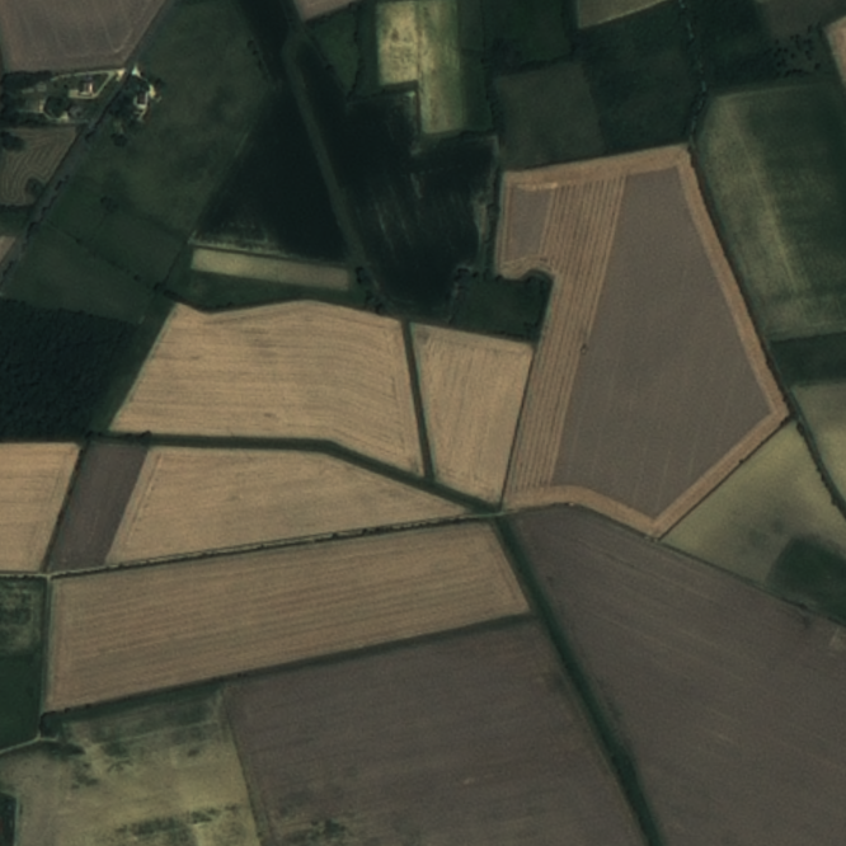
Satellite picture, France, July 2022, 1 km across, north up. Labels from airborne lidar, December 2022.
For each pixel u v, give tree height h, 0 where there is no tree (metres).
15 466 0
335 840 0
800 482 0
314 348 0
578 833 0
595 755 0
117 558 0
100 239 0
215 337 0
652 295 0
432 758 0
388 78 0
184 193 0
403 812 0
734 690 0
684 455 0
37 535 0
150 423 0
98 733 0
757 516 0
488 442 0
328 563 0
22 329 16
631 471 0
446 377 0
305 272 0
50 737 9
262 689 0
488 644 0
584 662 0
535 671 0
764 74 10
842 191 0
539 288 10
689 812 0
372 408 0
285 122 0
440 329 0
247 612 0
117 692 0
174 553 0
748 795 0
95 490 0
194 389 0
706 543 0
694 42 7
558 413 0
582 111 0
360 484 0
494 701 0
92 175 0
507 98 0
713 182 0
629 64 0
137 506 0
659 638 0
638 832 0
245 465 0
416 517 0
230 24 0
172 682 0
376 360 0
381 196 0
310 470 0
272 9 0
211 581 0
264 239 0
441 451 0
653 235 0
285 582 0
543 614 0
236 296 0
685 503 0
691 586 0
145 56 0
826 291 0
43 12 0
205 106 0
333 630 0
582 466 0
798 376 0
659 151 0
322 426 0
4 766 0
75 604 0
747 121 0
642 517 0
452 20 0
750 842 0
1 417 16
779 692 0
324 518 0
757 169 0
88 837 0
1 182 0
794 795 0
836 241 0
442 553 0
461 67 0
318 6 0
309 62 0
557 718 0
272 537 0
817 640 0
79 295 0
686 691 0
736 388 0
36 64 0
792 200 0
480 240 0
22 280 0
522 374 0
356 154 0
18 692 0
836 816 0
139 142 0
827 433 0
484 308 0
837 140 0
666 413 0
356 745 0
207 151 0
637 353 0
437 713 0
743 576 0
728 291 0
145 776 0
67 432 17
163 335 0
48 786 0
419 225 0
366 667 0
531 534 0
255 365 0
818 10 0
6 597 0
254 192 0
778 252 0
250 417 0
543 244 0
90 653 0
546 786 0
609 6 0
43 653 0
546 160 0
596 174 0
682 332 0
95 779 0
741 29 7
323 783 0
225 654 0
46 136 0
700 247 0
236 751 0
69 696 0
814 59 13
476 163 0
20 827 0
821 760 0
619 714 0
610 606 0
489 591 0
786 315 0
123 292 0
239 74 0
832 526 0
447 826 0
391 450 0
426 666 0
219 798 0
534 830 0
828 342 0
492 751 0
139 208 0
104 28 0
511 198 0
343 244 0
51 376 23
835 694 0
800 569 0
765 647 0
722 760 0
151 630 0
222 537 0
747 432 0
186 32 0
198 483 0
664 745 0
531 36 0
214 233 0
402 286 0
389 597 0
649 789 0
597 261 0
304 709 0
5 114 9
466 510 0
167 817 0
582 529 0
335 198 0
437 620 0
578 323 0
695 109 9
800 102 0
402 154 0
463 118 0
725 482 0
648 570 0
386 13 0
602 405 0
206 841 0
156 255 0
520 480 0
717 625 0
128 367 0
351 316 0
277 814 0
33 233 12
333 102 0
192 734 0
